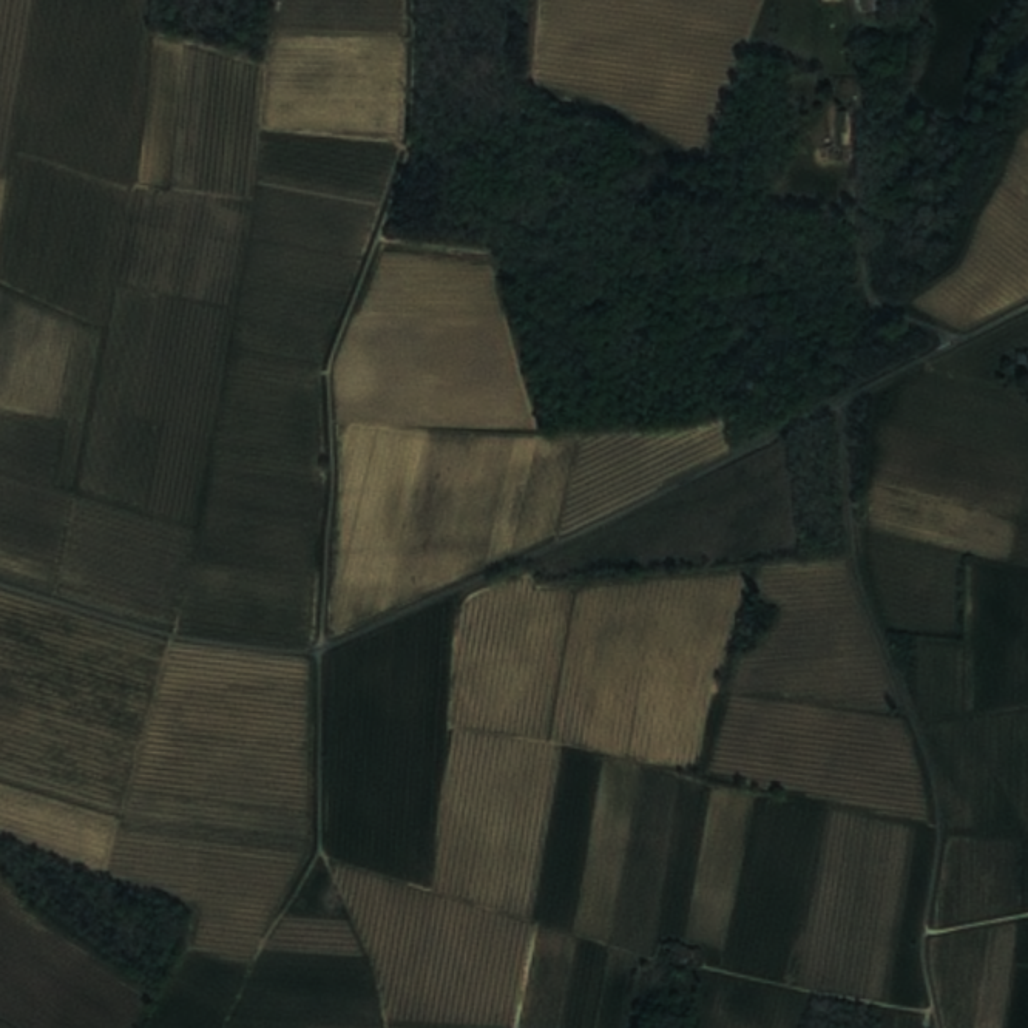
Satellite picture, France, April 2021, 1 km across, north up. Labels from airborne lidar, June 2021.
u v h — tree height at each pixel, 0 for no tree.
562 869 0
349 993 0
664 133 0
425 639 0
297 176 0
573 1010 0
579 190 13
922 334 14
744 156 20
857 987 0
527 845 0
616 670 0
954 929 0
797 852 0
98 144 0
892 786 0
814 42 0
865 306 14
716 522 0
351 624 0
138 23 0
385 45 0
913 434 0
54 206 0
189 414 0
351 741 0
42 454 0
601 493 0
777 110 19
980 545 0
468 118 21
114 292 0
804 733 0
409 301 0
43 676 0
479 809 0
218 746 0
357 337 0
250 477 0
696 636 0
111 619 0
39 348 0
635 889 0
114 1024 0
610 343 21
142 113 0
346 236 0
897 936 0
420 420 0
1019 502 0
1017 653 0
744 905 0
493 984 0
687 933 0
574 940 0
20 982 0
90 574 0
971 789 0
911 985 0
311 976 0
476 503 0
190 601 0
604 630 0
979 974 0
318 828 0
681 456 0
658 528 0
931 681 0
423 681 0
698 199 21
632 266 20
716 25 0
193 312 0
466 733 0
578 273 19
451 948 0
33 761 0
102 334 0
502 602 0
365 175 0
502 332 0
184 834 0
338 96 0
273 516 0
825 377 24
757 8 0
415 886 0
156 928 18
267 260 0
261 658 0
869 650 0
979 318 0
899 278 24
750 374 27
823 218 20
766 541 0
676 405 20
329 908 0
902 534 0
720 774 0
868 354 22
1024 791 0
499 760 0
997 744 0
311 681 0
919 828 0
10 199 0
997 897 0
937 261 11
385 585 0
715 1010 0
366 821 0
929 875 0
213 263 0
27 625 0
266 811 0
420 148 14
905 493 0
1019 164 0
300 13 0
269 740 0
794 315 27
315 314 0
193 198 0
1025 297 0
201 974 0
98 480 0
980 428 0
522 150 23
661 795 0
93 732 0
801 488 18
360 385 0
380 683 0
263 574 0
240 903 0
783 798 10
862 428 11
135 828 0
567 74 0
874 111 20
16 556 0
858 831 0
